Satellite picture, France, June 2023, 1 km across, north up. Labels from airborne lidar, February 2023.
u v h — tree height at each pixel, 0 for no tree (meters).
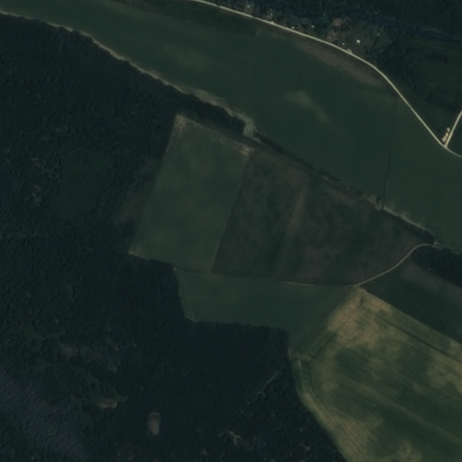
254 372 23
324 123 0
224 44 0
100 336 15
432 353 0
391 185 0
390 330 0
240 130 5
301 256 0
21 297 16
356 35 0
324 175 0
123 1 0
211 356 22
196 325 17
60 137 10
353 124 0
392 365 0
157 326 19
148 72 0
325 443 18
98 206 18
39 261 18
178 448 21
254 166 0
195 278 0
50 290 18
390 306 0
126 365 19
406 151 0
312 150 0
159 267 19
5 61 21
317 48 0
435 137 0
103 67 19
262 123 0
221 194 0
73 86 18
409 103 0
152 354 18
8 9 0
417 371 0
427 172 0
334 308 0
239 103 0
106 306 14
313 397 0
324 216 0
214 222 0
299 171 0
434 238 10
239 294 0
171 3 0
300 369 0
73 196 17
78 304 19
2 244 13
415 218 0
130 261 14
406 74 12
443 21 19
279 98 0
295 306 0
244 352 24
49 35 15
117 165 18
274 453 19
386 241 0
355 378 0
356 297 0
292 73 0
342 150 0
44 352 10
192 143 0
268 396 21
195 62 0
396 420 0
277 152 0
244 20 0
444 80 0
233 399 21
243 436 20
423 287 0
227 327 18
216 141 0
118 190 6
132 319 18
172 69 0
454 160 0
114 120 18
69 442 16
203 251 0
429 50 0
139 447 19
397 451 0
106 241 7
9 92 19
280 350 21
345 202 0
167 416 20
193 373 21
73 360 16
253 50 0
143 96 20
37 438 16
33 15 0
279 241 0
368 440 0
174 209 0
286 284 0
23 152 20
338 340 0
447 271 7
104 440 16
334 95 0
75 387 16
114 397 15
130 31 0
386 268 0
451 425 0
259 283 0
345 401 0
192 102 20
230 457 19
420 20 19
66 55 16
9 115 19
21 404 15
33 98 20
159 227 0
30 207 18
